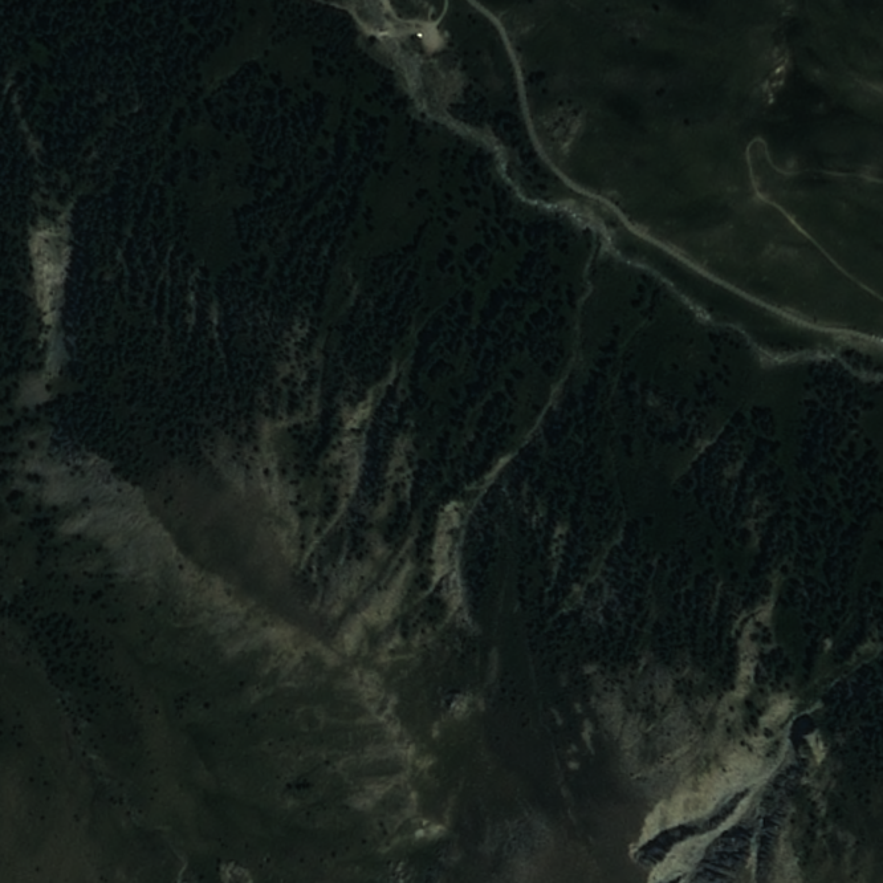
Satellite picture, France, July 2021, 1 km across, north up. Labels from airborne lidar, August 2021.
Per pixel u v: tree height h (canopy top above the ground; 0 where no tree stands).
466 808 0
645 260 0
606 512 20
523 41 0
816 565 14
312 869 0
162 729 0
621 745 0
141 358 8
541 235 27
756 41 0
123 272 9
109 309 11
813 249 0
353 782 0
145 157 21
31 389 0
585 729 0
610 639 11
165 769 0
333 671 0
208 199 0
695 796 0
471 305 26
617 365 6
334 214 15
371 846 0
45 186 8
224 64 0
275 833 0
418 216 0
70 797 0
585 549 8
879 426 0
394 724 0
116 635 0
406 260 10
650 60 0
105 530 0
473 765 0
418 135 12
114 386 0
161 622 0
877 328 0
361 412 0
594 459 19
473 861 0
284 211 13
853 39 0
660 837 0
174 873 0
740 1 0
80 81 28
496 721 0
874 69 0
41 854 0
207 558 0
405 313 16
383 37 0
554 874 0
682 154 0
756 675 7
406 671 0
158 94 15
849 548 25
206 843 0
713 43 0
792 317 0
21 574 0
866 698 15
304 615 0
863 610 10
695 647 7
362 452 0
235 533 0
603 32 0
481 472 14
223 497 0
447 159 8
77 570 0
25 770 0
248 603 0
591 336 0
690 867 0
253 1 0
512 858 0
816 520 21
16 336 11
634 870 0
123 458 10
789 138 0
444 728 0
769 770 0
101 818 0
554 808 0
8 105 16
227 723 0
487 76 0
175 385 8
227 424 7
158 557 0
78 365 8
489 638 0
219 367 11
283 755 0
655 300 6
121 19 23
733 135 0
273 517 0
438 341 22
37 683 0
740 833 0
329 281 18
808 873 0
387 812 0
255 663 0
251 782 0
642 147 0
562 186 0
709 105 0
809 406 11
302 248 17
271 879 0
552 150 0
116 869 0
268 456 0
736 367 0
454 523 0
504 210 23
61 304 0
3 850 0
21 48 22
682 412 6
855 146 0
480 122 11
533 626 7
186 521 0
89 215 12
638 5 0
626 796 0
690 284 0
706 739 0
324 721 0
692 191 0
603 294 0
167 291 15
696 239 0
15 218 11
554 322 22
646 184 0
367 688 0
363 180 29
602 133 0
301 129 24
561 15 0
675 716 0
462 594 0
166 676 0
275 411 7
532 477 17
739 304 0
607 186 0
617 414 7
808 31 0
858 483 22
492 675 0
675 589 13
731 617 11
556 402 0
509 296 26
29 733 0
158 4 21
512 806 0
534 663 0
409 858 0
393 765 0
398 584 0
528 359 0
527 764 0
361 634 0
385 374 15
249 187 13
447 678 0
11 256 10
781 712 0
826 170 0
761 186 0
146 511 0
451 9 0
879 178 0
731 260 0
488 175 19
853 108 0
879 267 0
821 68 0
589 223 0
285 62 0
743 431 16
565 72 0
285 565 0
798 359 0
